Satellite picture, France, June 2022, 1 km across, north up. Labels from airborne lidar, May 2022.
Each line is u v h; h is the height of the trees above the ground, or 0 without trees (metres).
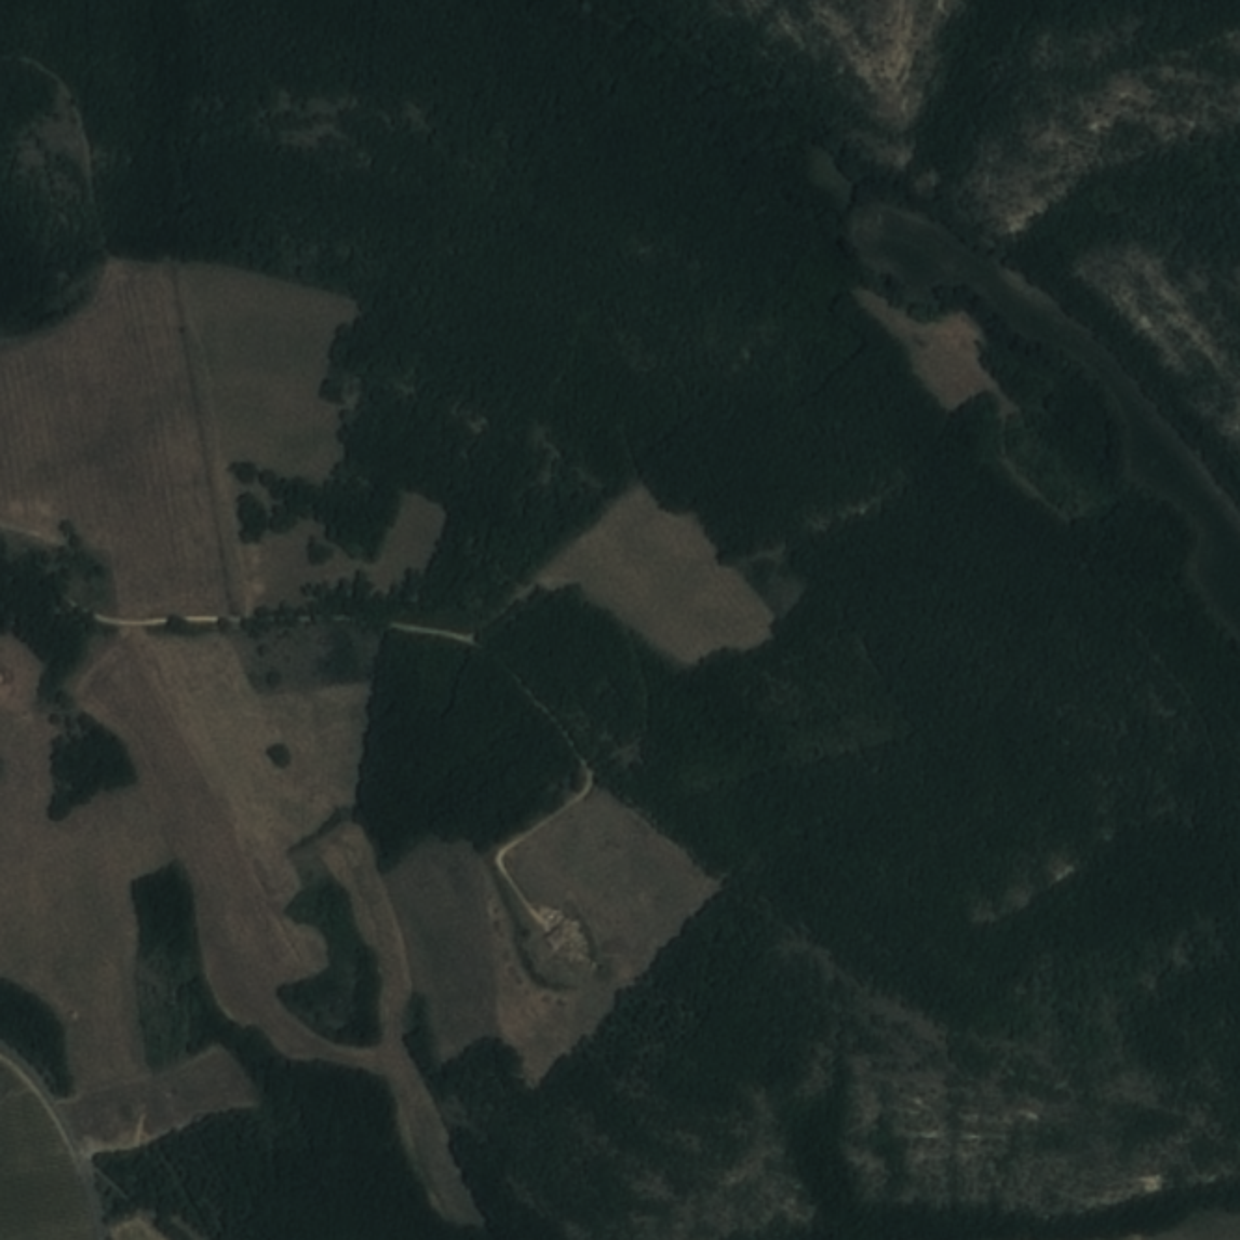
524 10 16
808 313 6
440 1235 20
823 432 9
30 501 0
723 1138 5
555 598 13
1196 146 7
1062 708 7
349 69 6
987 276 0
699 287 8
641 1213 6
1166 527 10
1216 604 0
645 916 0
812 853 12
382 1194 21
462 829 13
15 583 10
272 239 9
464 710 11
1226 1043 8
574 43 25
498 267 9
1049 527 14
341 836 0
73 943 0
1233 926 11
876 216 0
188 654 0
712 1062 7
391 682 14
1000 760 8
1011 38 12
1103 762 8
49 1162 0
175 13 11
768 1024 9
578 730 8
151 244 14
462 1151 15
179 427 0
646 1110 7
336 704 0
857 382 14
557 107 13
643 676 8
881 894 8
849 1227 9
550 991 0
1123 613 11
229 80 8
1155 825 9
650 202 12
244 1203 15
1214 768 10
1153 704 7
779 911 8
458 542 12
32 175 6
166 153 15
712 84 20
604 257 11
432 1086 6
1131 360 11
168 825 0
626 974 0
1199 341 0
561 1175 6
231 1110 7
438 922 0
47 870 0
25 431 0
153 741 0
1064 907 11
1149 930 10
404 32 15
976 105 10
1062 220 12
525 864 0
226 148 9
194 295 0
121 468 0
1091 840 9
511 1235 20
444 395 9
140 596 0
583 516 11
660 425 7
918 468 10
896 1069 6
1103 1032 7
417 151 10
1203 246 7
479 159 8
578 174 13
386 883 0
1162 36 10
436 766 11
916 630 9
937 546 11
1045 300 0
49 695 8
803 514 7
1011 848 8
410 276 10
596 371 6
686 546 0
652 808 7
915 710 11
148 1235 0
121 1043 0
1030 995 7
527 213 11
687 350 7
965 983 9
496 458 11
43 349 0
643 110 16
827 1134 9
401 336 9
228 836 0
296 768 0
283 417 0
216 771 0
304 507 9
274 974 0
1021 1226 11
